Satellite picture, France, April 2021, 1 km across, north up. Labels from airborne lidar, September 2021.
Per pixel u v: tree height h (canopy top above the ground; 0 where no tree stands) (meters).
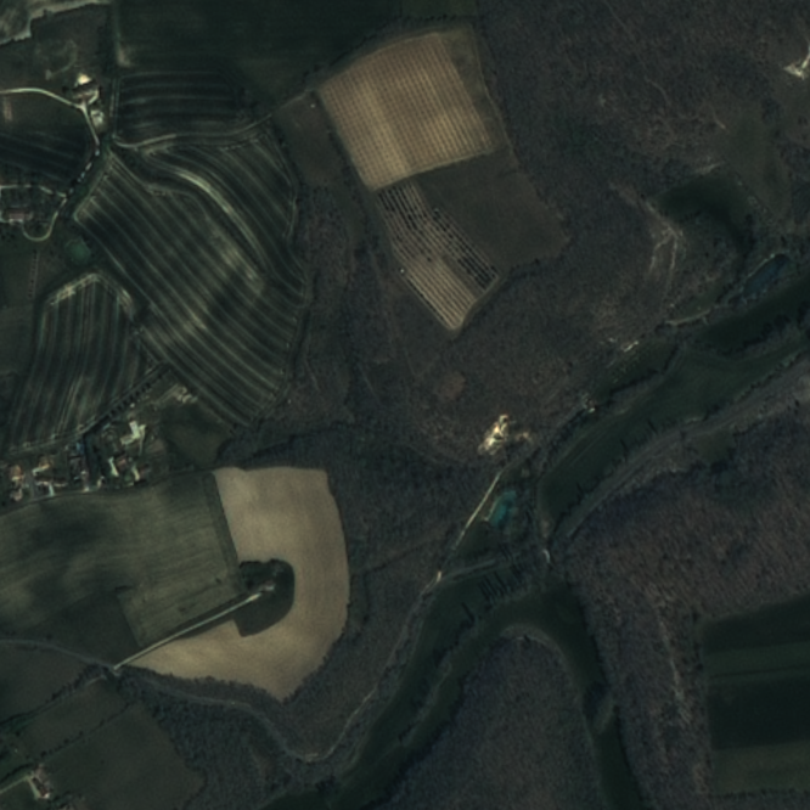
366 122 0
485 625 7
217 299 0
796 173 13
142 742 0
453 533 13
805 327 14
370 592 13
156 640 0
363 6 0
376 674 11
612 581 12
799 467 11
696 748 12
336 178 0
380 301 10
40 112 0
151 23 0
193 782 0
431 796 16
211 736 15
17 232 10
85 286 0
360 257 12
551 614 0
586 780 19
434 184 0
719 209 0
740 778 0
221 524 0
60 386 0
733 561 13
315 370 12
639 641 11
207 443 0
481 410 9
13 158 0
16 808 0
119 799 0
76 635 0
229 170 0
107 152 7
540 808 13
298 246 8
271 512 0
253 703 15
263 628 0
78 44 0
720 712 0
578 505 7
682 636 12
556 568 19
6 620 0
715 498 14
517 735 15
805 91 0
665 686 13
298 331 0
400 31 11
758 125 0
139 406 0
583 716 15
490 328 12
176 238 0
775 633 0
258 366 0
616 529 12
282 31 0
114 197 0
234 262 0
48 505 0
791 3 17
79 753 0
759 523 18
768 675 0
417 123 0
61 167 0
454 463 11
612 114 10
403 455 10
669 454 0
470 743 11
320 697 15
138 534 0
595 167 17
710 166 0
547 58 14
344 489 16
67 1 0
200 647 0
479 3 12
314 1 0
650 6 10
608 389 0
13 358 0
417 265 0
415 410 6
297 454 17
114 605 0
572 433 14
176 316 0
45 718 0
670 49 10
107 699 0
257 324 0
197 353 0
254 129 0
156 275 0
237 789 17
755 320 0
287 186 0
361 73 0
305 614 0
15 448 0
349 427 10
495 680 12
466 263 5
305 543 0
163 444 0
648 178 15
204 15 0
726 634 0
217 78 0
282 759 20
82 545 0
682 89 7
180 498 0
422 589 12
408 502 9
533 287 16
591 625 18
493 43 17
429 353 0
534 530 18
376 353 9
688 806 12
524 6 18
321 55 0
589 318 9
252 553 0
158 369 0
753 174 0
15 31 0
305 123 0
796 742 0
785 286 11
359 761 0
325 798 23
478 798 15
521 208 0
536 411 5
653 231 0
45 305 0
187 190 0
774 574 14
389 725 0
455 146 0
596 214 13
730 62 19
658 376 13
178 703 10
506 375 9
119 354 0
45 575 0
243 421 0
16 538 0
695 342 9
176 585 0
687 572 10
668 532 10
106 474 12
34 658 0
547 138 13
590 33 15
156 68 0
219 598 0
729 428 0
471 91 0
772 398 0
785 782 0
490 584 0
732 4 10
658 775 14
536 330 13
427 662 0
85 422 0
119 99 0
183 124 0
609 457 0
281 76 0
